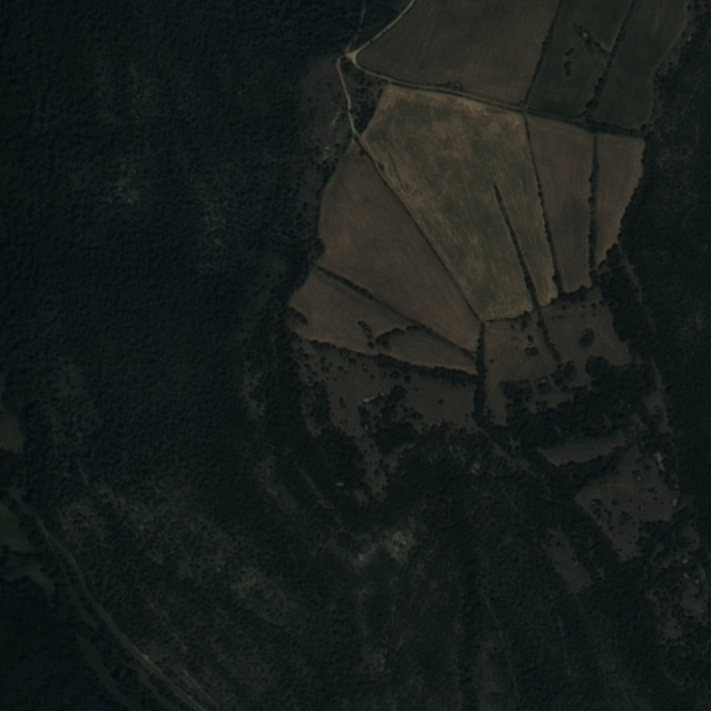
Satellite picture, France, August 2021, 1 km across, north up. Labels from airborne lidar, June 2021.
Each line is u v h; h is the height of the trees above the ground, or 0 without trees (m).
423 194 0
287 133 9
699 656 7
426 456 7
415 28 0
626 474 0
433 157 0
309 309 0
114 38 9
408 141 0
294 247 7
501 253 0
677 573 7
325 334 0
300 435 8
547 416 6
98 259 8
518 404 9
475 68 0
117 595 7
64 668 8
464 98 0
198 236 6
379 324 0
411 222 0
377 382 0
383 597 6
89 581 8
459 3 0
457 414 0
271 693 7
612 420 7
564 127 0
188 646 6
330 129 0
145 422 5
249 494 6
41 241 15
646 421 7
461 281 0
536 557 6
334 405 0
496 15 0
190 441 7
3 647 16
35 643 11
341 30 10
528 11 0
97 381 8
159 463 11
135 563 6
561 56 0
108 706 18
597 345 0
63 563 7
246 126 6
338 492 6
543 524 10
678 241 7
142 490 7
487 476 12
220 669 7
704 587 7
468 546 5
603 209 0
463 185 0
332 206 0
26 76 21
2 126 20
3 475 8
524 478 11
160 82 6
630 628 6
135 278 7
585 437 7
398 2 0
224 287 6
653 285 7
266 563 6
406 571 6
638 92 0
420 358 0
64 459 8
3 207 12
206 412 7
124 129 6
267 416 8
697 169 8
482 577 7
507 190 0
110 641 15
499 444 7
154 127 8
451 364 0
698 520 8
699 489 9
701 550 8
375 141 0
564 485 12
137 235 6
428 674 7
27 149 17
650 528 10
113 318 7
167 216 7
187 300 6
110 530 7
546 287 0
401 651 6
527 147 0
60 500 7
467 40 0
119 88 7
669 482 9
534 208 0
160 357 7
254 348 6
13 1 18
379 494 7
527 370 0
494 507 8
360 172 0
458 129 0
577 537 9
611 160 0
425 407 0
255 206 7
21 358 13
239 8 6
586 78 0
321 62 0
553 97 0
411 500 8
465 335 0
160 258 7
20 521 6
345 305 0
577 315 0
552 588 6
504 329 0
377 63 0
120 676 19
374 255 0
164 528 7
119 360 7
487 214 0
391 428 8
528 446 9
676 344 5
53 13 13
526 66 0
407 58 0
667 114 6
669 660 5
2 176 12
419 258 0
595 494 0
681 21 0
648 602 6
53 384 6
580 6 0
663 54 0
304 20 7
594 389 6
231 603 9
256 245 6
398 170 0
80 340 10
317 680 7
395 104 0
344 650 5
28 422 21
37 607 20
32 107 10
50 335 8
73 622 18
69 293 9
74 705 17
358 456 8
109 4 11
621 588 7
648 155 7
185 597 6
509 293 0
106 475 8
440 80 0
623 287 10
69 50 12
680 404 8
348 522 7
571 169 0
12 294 17
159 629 6
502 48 0
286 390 7
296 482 6
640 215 14
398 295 0
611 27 0
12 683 12
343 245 0
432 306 0
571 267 0
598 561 6
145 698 10
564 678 7
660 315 9
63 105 8
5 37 18
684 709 8
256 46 6
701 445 10
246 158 6
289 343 7
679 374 8
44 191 10
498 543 9
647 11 0
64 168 6
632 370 6
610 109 0
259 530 7
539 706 7
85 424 6
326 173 6
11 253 17
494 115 0
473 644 7
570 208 0
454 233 0
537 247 0
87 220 7
